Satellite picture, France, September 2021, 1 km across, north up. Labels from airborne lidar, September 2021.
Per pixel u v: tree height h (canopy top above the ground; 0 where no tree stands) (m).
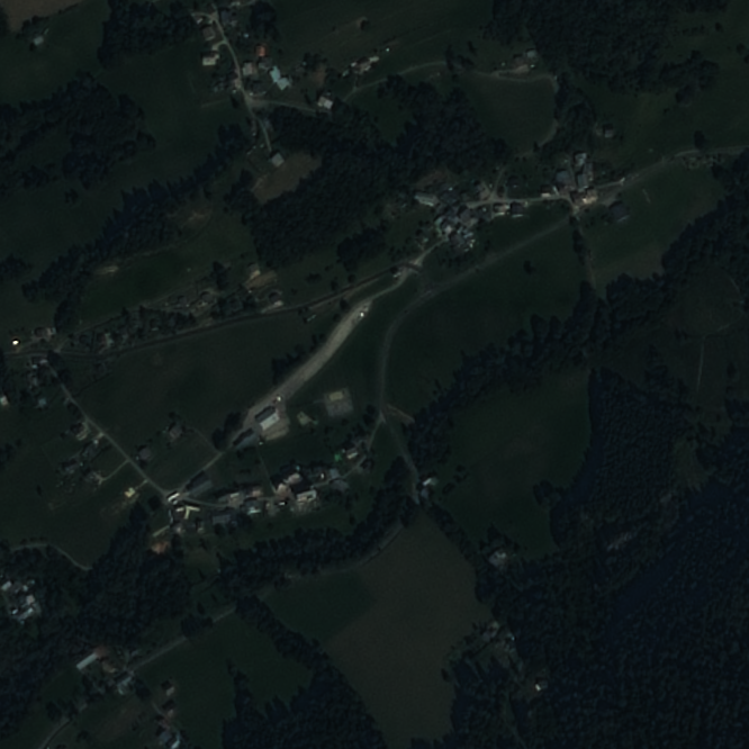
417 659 0
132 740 0
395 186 17
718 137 0
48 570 8
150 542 13
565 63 21
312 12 0
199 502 0
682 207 0
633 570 28
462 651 0
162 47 14
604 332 17
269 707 0
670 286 17
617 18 16
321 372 0
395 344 0
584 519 33
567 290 0
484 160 27
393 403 0
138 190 0
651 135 0
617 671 31
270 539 0
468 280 0
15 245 0
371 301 0
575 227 8
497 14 14
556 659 27
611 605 7
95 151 23
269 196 0
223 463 0
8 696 25
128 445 0
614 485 33
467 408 15
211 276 7
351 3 0
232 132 0
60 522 0
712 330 0
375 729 23
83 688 0
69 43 0
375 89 0
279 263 19
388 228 8
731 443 8
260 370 0
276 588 19
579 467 0
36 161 0
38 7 0
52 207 0
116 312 0
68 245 0
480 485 0
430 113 29
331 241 17
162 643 0
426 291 0
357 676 0
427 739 0
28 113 18
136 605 10
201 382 0
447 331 0
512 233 0
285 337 0
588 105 10
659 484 30
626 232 0
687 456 0
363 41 0
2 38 15
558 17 24
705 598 27
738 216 22
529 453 0
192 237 0
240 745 21
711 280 0
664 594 28
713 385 0
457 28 0
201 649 0
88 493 0
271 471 0
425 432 19
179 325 12
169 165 0
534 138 0
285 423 0
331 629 0
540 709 6
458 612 0
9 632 22
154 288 0
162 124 0
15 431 0
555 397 0
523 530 0
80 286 23
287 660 15
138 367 0
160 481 0
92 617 26
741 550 22
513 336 0
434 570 0
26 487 0
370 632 0
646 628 30
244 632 0
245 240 0
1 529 0
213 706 0
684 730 15
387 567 0
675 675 25
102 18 0
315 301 0
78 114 20
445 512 0
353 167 24
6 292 0
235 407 0
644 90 11
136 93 0
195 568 0
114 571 19
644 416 33
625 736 17
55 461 0
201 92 0
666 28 14
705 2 6
